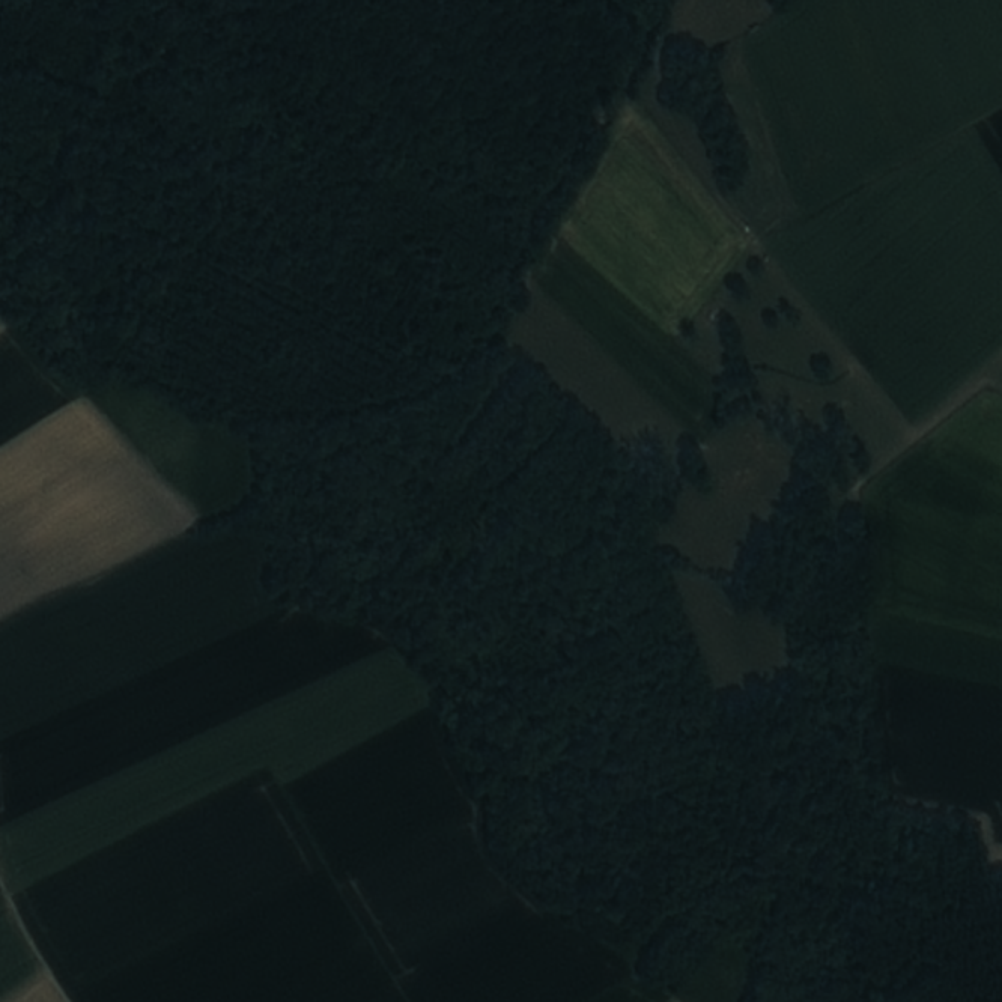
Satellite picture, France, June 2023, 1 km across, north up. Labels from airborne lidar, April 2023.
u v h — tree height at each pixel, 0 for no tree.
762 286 0
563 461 28
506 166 26
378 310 10
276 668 0
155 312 12
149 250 24
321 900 0
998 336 0
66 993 0
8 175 13
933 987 35
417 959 0
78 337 17
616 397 0
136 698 0
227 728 0
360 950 0
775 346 0
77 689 0
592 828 33
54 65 13
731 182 10
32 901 0
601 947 0
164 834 0
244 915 0
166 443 0
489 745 35
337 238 17
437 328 14
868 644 15
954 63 0
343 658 0
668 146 0
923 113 0
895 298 0
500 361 23
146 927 0
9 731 0
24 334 13
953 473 0
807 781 19
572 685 20
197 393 17
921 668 0
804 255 0
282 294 11
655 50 15
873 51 0
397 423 25
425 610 37
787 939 27
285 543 17
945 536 0
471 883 0
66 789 0
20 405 0
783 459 0
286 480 25
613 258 0
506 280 20
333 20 25
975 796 0
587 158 21
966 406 0
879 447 0
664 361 0
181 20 22
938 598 0
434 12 23
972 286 0
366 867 0
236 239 11
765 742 34
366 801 0
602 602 20
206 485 0
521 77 28
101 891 0
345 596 29
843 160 0
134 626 0
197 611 0
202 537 9
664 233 0
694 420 0
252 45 20
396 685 0
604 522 26
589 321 0
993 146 0
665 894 18
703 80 19
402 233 6
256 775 0
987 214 0
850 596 23
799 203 0
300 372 16
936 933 18
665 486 32
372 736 0
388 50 23
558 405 22
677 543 0
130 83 10
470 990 0
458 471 28
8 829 0
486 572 13
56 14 12
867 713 25
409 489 16
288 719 0
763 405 27
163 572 0
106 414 0
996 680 0
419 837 0
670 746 27
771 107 0
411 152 13
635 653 18
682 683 28
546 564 31
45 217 27
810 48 0
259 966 0
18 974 0
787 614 19
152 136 18
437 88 20
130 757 0
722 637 0
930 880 25
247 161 25
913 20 0
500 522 28
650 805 27
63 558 0
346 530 29
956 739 0
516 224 25
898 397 0
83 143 23
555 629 11
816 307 0
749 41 0
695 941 25
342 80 26
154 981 0
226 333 15
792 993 26
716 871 24
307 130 16
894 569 0
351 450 30
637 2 23
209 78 26
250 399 12
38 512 0
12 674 0
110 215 26
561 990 0
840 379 0
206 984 0
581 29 24
